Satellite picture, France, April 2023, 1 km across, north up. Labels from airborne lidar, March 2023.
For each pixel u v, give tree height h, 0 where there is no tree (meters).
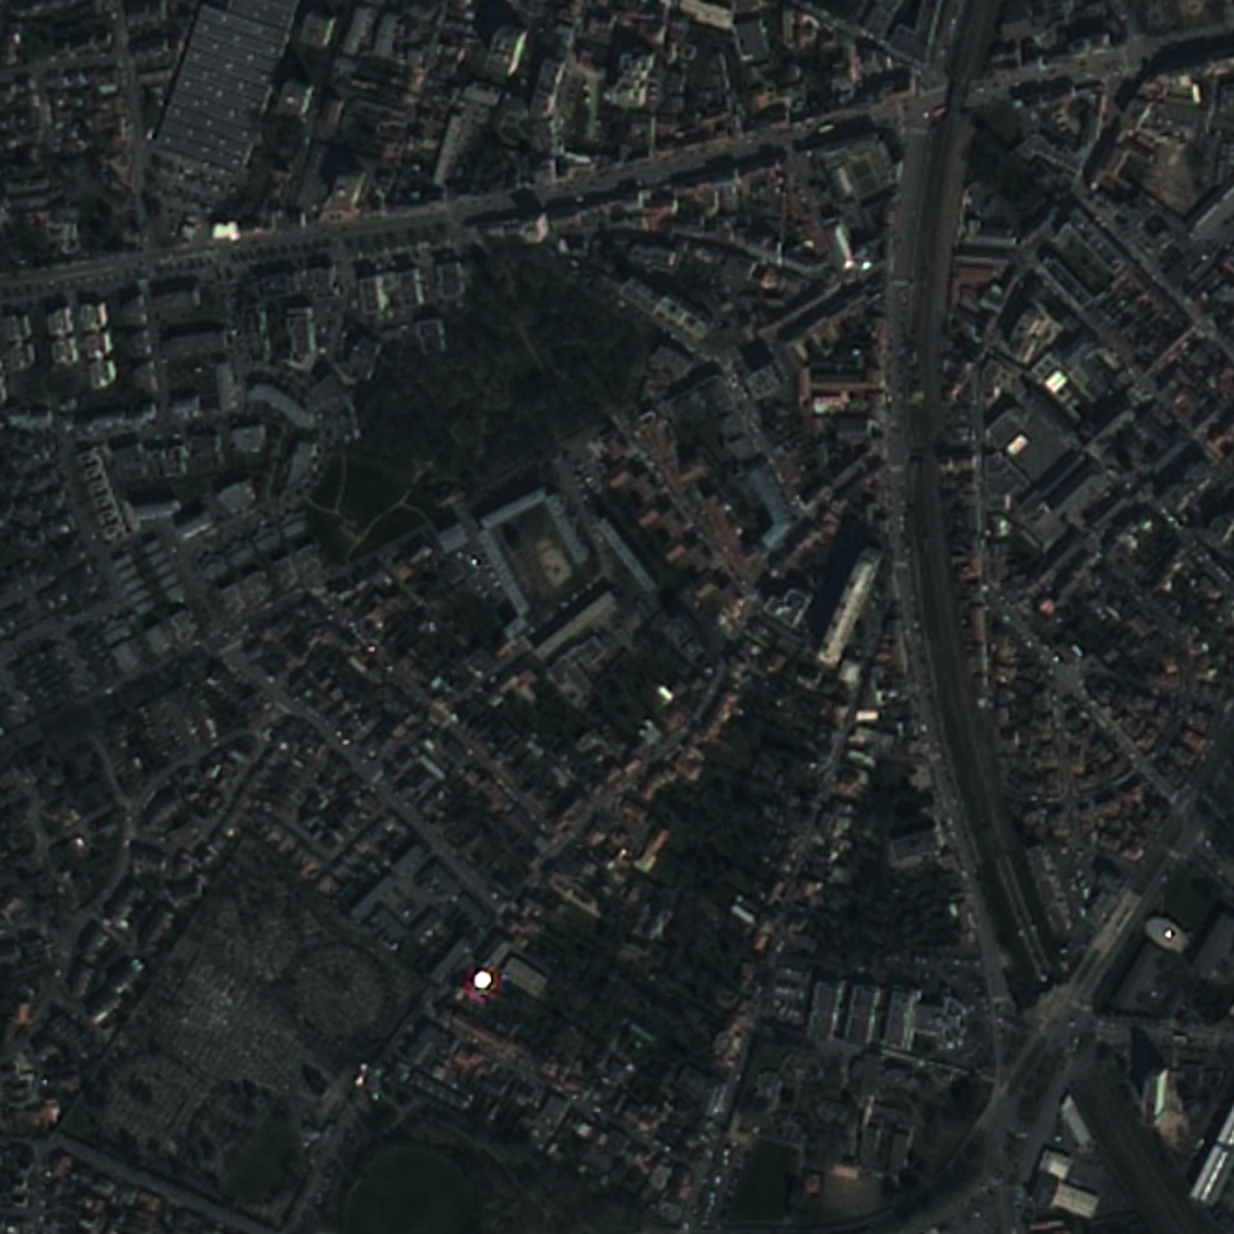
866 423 0
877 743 0
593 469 0
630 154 0
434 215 0
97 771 11
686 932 15
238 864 7
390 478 0
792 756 7
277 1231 11
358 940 0
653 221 0
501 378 23
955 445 0
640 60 0
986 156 20
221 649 0
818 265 0
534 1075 0
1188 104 0
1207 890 10
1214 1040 0
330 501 0
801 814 6
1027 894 0
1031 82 0
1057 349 0
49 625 0
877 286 0
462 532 0
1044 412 0
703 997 9
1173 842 0
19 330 0
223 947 0
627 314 17
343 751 0
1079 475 0
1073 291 0
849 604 0
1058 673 0
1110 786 0
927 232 0
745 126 0
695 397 0
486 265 12
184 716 0
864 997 0
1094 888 0
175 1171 12
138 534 0
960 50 0
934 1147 14
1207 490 0
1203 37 0
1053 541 0
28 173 14
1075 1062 0
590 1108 0
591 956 6
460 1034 0
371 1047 12
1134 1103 13
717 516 0
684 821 6
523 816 0
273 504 0
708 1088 0
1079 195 0
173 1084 0
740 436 0
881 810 18
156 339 0
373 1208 0
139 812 0
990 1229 0
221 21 0
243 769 0
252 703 0
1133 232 0
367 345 0
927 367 0
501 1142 19
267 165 7
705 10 0
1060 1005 0
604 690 6
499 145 12
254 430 0
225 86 0
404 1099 10
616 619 0
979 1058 0
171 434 0
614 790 0
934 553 0
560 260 19
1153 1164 0
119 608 0
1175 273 0
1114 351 0
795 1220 9
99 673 0
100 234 10
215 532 0
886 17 0
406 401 21
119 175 0
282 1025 0
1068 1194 0
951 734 0
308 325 0
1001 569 0
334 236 0
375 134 6
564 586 0
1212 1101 14
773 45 7
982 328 0
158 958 16
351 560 0
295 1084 0
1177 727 0
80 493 0
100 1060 7
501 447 20
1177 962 8
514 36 0
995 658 0
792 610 0
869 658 0
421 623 0
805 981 0
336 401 0
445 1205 0
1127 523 0
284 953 0
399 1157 0
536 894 6
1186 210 0
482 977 0
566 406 19
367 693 14
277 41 0
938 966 0
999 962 0
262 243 0
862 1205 0
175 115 0
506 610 0
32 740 0
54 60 0
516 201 0
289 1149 0
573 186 0
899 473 0
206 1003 0
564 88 0
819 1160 17
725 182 0
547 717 6
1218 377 0
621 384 21
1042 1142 0
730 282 0
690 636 0
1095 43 0
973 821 0
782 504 0
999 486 0
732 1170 0
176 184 0
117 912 0
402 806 0
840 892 11
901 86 0
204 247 0
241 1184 0
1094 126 0
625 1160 14
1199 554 0
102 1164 0
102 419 0
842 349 7
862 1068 0
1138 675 10
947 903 6
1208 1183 0
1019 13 0
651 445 0
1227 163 0
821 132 0
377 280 0
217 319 0
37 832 0
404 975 0
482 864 9
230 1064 0
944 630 0
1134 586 0
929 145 0
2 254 19
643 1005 5
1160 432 0
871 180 0
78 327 0
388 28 0
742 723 7
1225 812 16
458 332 19
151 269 0
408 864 0
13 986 16
